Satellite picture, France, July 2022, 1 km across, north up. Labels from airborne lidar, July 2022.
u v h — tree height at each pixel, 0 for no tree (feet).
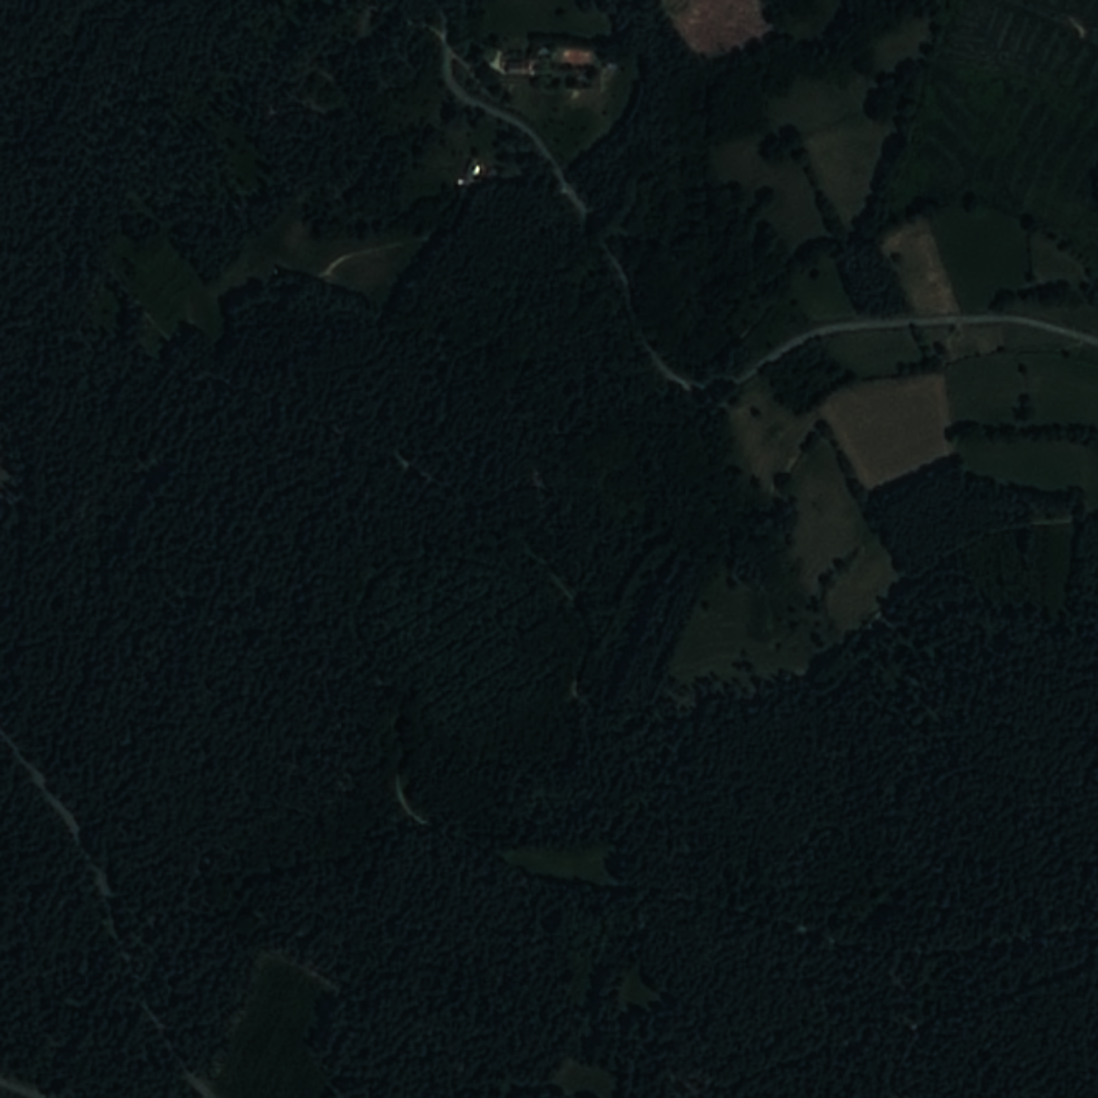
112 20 73
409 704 74
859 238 51
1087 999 86
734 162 0
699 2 0
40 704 85
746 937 84
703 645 0
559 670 54
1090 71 0
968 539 92
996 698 83
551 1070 84
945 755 81
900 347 0
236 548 102
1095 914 70
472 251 80
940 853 91
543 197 82
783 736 74
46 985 87
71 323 85
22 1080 50
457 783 59
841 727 93
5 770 80
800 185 0
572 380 65
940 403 0
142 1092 89
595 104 0
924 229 0
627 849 86
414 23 69
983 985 88
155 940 80
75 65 71
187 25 97
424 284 83
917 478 42
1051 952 83
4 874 77
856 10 71
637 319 77
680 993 73
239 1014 91
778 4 81
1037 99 0
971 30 0
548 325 81
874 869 77
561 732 49
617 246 52
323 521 76
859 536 0
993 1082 74
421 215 41
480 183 31
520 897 100
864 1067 90
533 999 73
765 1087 74
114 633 90
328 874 91
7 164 75
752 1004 88
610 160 69
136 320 114
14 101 85
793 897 82
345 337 87
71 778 86
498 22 0
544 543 81
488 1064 88
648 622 93
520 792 74
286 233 0
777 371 32
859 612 0
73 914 94
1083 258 46
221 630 89
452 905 80
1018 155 0
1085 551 62
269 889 82
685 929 64
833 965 82
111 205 101
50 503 86
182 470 88
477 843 63
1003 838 74
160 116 86
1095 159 0
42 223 81
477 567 66
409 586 51
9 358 99
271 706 80
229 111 100
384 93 38
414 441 102
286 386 91
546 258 80
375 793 84
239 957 96
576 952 96
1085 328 0
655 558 96
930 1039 66
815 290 0
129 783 87
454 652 56
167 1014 92
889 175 62
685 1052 75
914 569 77
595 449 88
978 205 65
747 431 0
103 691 90
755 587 68
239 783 87
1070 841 80
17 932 85
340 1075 33
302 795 79
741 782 80
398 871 82
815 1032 79
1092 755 77
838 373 47
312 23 103
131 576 99
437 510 96
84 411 73
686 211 61
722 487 68
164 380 94
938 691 94
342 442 47
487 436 82
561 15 35
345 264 0
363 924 89
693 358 84
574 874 0
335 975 102
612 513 58
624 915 65
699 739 86
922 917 90
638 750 57
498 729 59
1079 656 88
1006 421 0
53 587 92
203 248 99
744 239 51
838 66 46
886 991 86
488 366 72
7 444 66
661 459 82
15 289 73
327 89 27
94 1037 79
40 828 67
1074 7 0
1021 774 75
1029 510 85
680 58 118
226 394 100
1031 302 37
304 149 82
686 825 55
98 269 99
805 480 0
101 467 104
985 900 79
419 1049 104
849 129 0
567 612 51
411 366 92
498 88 61
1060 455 0
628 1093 44
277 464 94
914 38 0
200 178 96
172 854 72
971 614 96
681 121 85
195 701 102
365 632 62
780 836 73
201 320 0
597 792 95
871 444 0
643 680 101
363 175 84
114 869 83
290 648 85
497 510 81
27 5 86
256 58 103
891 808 85
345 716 91
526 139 52
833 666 72
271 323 84
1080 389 0
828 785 81
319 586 90
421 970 97
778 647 27
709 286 80
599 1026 93
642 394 71
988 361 0
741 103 71
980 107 0
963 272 0
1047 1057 78
